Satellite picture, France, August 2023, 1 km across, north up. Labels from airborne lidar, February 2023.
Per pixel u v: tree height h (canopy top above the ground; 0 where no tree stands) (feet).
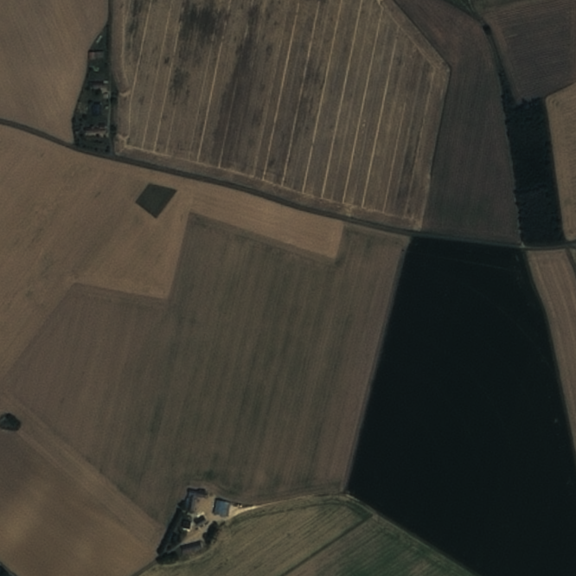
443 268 0
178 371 0
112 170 0
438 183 0
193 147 0
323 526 0
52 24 0
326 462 0
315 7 0
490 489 0
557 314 0
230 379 0
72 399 0
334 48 0
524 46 0
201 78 0
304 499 0
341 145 0
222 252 0
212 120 0
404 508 0
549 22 0
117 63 0
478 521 0
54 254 0
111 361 0
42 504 0
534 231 44
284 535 0
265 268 0
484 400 0
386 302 0
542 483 0
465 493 0
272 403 0
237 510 0
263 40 0
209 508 0
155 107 0
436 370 0
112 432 0
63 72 0
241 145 0
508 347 0
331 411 0
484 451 0
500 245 0
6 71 0
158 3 0
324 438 0
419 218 0
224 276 0
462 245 0
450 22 0
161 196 0
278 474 0
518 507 0
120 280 0
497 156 0
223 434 0
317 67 0
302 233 0
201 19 0
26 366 0
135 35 0
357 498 0
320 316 0
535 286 0
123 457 0
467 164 0
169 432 0
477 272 0
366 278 0
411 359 0
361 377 0
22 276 0
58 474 0
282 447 0
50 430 0
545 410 0
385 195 0
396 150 0
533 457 0
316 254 0
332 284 0
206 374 0
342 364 0
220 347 0
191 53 0
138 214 0
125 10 0
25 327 0
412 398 0
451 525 0
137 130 0
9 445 0
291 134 0
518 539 0
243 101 0
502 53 0
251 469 0
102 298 0
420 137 0
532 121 53
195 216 0
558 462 0
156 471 0
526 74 0
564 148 0
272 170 0
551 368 0
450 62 0
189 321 0
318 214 0
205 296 0
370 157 0
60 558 0
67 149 0
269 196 0
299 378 0
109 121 0
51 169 0
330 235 0
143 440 0
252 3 0
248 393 0
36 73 0
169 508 0
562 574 0
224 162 0
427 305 0
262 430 0
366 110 0
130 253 0
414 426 0
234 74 0
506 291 0
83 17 0
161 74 0
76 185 0
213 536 32
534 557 0
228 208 0
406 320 0
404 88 0
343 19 0
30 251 0
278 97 0
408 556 0
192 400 0
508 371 0
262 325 0
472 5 0
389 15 0
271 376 0
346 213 0
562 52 0
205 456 0
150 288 0
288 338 0
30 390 0
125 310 0
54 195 0
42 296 0
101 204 0
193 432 0
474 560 0
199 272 0
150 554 0
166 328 0
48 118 0
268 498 0
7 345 0
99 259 0
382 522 0
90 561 0
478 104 0
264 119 0
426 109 0
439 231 0
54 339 0
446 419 0
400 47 0
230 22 0
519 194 42
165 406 0
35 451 0
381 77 0
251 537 0
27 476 0
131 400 0
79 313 0
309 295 0
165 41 0
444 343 0
